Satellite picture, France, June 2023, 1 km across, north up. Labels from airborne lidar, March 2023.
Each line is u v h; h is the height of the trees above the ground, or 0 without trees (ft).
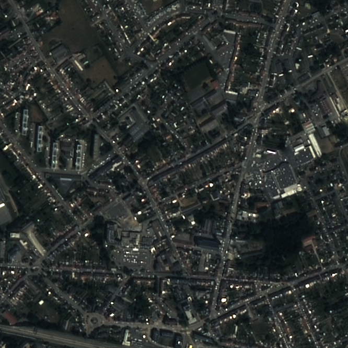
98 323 0
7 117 20
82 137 24
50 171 0
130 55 0
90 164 0
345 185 0
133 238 0
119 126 0
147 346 0
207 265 0
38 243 0
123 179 0
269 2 0
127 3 0
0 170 0
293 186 0
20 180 44
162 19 0
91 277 0
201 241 0
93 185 0
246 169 0
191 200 0
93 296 18
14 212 0
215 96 0
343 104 0
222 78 0
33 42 0
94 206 26
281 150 44
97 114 0
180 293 0
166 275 0
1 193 0
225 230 0
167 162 0
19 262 0
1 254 0
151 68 0
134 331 0
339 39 0
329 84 0
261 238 59
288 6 0
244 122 17
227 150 0
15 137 0
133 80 0
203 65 0
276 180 0
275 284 0
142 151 25
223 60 0
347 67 0
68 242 0
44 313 0
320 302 0
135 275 0
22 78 0
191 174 0
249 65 0
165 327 0
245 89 0
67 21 0
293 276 0
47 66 0
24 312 0
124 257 0
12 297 0
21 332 0
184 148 35
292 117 35
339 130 86
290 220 62
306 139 0
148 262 0
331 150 0
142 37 0
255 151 0
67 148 0
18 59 0
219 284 0
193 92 0
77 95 0
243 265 51
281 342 0
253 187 0
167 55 0
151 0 0
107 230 0
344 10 0
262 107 0
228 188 0
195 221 23
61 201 0
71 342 0
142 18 0
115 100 0
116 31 0
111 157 0
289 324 0
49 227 0
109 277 0
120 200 0
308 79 0
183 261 0
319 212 0
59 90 0
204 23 0
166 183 0
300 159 0
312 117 0
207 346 0
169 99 0
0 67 0
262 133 0
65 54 0
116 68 0
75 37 0
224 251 0
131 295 26
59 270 0
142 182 0
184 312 0
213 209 30
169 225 0
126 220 0
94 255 0
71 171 0
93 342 0
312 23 0
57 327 58
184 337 0
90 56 0
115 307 0
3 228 0
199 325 0
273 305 0
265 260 68
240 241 0
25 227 0
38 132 0
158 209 0
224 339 0
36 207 0
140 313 39
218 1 0
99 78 0
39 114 0
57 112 0
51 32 0
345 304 0
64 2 0
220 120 0
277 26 0
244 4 0
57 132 28
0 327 0
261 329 0
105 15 0
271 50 0
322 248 0
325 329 0
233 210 0
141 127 0
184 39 0
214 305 0
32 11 0
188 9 0
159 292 0
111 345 0
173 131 0
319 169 0
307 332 0
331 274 0
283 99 0
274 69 0
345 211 0
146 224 0
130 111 0
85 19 0
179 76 24
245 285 0
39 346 0
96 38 0
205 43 0
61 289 26
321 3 29
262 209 51
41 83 0
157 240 0
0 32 0
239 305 0
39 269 0
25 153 0
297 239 69
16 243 0
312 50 0
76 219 0
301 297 0
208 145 0
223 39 0
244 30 0
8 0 0
